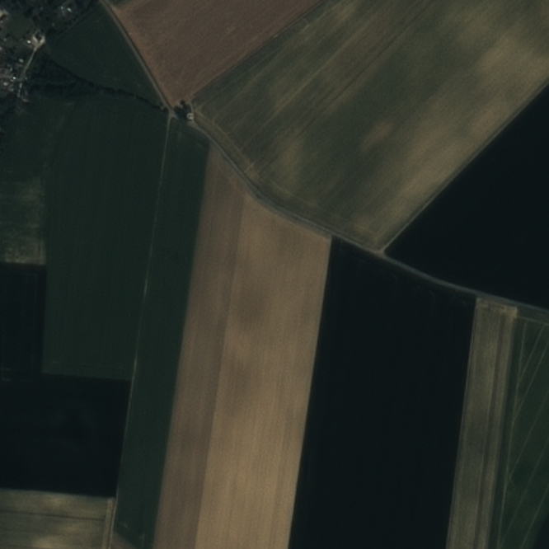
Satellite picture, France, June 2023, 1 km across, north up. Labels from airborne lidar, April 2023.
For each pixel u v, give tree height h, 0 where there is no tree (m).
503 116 0
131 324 0
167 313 0
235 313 0
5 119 12
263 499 0
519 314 0
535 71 0
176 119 0
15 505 0
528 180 0
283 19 0
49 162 0
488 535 0
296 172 0
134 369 0
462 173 0
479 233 0
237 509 0
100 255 0
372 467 0
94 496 0
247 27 0
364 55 0
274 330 0
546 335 0
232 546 0
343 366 0
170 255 0
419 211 0
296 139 0
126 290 0
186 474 0
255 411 0
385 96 0
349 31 0
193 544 0
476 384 0
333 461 0
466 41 0
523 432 0
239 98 0
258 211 0
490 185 0
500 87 0
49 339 0
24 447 0
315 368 0
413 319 0
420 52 0
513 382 0
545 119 0
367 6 0
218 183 0
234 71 0
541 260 0
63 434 0
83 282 0
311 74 0
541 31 0
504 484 0
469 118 0
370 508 0
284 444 0
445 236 0
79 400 0
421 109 0
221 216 0
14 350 0
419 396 0
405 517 0
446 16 0
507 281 0
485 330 0
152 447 0
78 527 0
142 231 0
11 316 0
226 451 0
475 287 0
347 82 0
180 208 0
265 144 0
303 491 0
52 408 0
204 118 0
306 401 0
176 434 0
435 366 0
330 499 0
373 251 0
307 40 0
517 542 0
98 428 0
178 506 0
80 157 0
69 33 0
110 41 0
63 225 0
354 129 0
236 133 0
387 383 0
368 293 0
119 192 0
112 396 0
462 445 0
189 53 0
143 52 0
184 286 0
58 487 0
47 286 0
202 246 0
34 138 0
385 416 0
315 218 0
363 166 0
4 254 0
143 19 0
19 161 0
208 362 0
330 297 0
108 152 0
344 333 0
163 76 0
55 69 13
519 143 0
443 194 0
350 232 0
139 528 0
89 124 0
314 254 0
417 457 0
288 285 0
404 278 0
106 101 0
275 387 0
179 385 0
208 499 0
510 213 0
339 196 0
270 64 0
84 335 0
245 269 0
